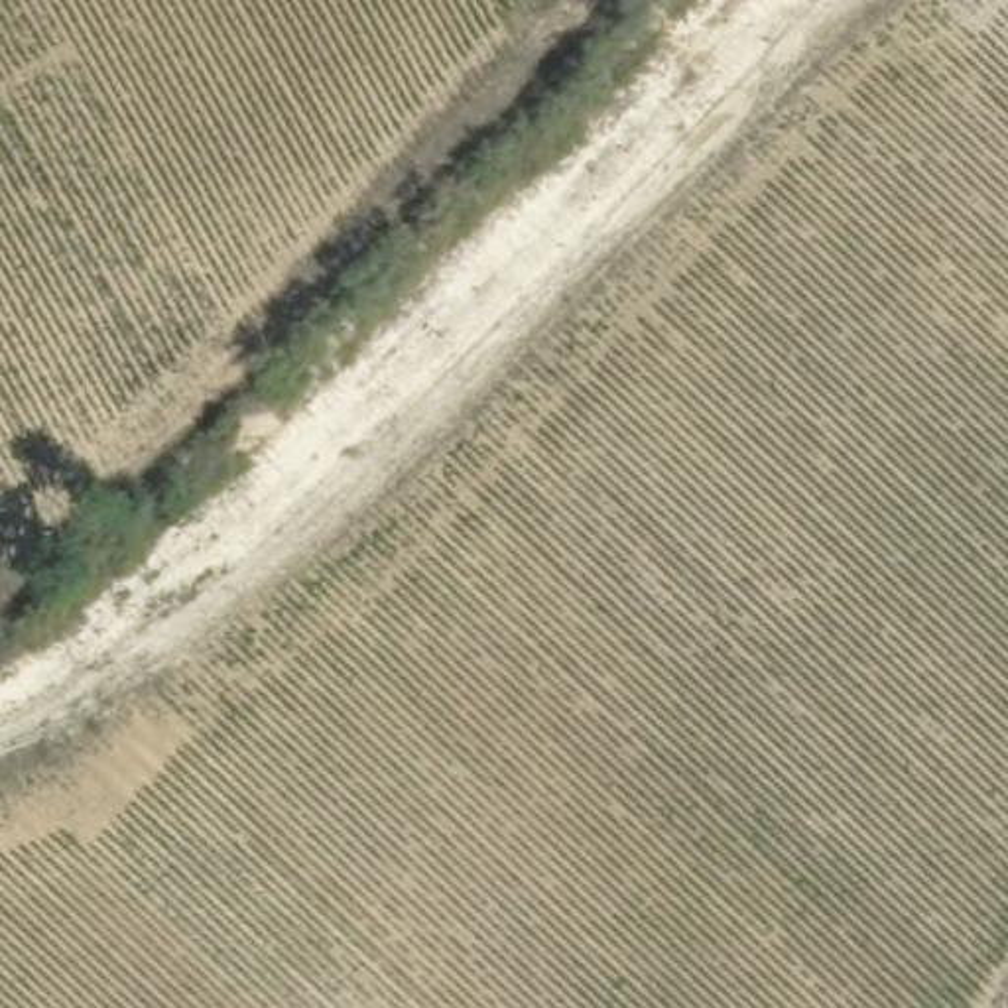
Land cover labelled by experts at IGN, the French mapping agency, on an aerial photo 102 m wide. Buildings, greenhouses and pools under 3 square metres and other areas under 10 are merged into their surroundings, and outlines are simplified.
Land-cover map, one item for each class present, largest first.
<instances>
[{"label":"vineyard","instance_id":"1","mask_svg":"<svg viewBox=\"0 0 1008 1008\"><path fill-rule=\"evenodd\" d=\"M654 0H0V606L20 591V575L32 567L43 543V528L67 516V492L87 488L91 476H110L142 473L181 429L197 421L205 402H213L224 386L244 378L236 350L256 354L291 343V327L307 323V311L323 299L347 311L354 295L343 287V276L354 264L370 260V252L382 248L386 236L402 232L406 224L417 228L421 209L437 201L445 181H465L484 146L504 142L524 118H539V106L551 102L583 71V51L622 20H646ZM0 1008H1008V0H866L862 8L827 20L807 39L803 55L788 63L784 79L756 83L752 110L736 138L721 154H713L693 177H681L658 205L634 217L614 236L610 252L591 260L587 272L571 280L559 291V299L528 327V335L508 343L504 362L469 402H461L449 413V425L425 433L421 449L410 453L402 469L362 508L347 512L331 536L311 543V555L287 559L276 579L244 591L221 618L205 622L189 638L185 662L165 665L161 673L122 689H95V709L91 717H83L79 732H55L51 740H35L28 748H12L8 756H0ZM20 618H8L0 610V677L12 662L28 654L16 642Z\"/></svg>","mask_w":1008,"mask_h":1008},{"label":"pervious surface","instance_id":"2","mask_svg":"<svg viewBox=\"0 0 1008 1008\"><path fill-rule=\"evenodd\" d=\"M866 0H697L693 12L677 20L673 32L662 39L658 55L646 63V75H638L630 87H618L614 106L591 118L587 142L571 158H563L555 173L524 189L516 205L496 209L476 236L449 252L441 268L425 276V299L402 303V315L366 343L354 366H347L343 374H335V382L315 390L311 402L291 413V421L276 413L240 417L236 449L252 461L248 476L217 492L205 508H197L189 524H173L126 579H110L102 595L87 606L83 626L75 634L47 646L43 654H28L12 662L0 677V756H8L12 748H28L35 740H51L55 732H79L83 717H91L95 709V689H122L161 673L165 665L185 662L189 638L205 622L221 618L244 591L276 579L287 559L311 555V543L331 536L347 512L362 508L402 469L410 453L421 449L425 433L449 425V413L461 402H469L504 362L508 343L528 335V327L559 299V291L571 280L587 272L591 260L610 252L614 236L634 217L658 205L681 177H693L713 154H721L736 138L752 110L756 83L784 79L788 63L803 55L807 39L827 20L862 8Z\"/></svg>","mask_w":1008,"mask_h":1008},{"label":"brushwood","instance_id":"3","mask_svg":"<svg viewBox=\"0 0 1008 1008\"><path fill-rule=\"evenodd\" d=\"M697 0H654L646 20H622L583 51V71L551 102L539 106V118H524L504 142L484 146L465 181H445L437 201L421 209L417 228L406 224L402 232L386 236L382 248L370 252V260L354 264L343 276V287L354 295L347 311L323 299L307 311V323L291 327V343L256 354L236 350L244 378L224 386L213 402H205L197 421L181 429L142 473L110 476L114 492H122L126 500L161 496L165 520L173 524H189L197 508H205L217 492L248 476L252 461L236 449L240 417L276 413L291 421V413L311 402L315 390L335 382V374H343L347 366H354L366 343L402 315V303L425 299V276L441 268L449 252L476 236L496 209L516 205L524 189L555 173L563 158H571L587 142L591 118L614 106L618 87H630L638 75H646V63L658 55L662 39L673 32L677 20L693 12ZM0 610L8 618H20L16 642L28 654H43L47 646L75 634L83 626L87 606L75 595L47 602L32 583H20V591L0 606Z\"/></svg>","mask_w":1008,"mask_h":1008},{"label":"deciduous trees","instance_id":"4","mask_svg":"<svg viewBox=\"0 0 1008 1008\"><path fill-rule=\"evenodd\" d=\"M67 516L43 528V543L32 567L20 575V583H32L47 602L75 595L87 606L102 595L110 579H126L173 524L165 520L161 496L126 500L122 492H114L110 476H91L87 488L67 492Z\"/></svg>","mask_w":1008,"mask_h":1008}]
</instances>
